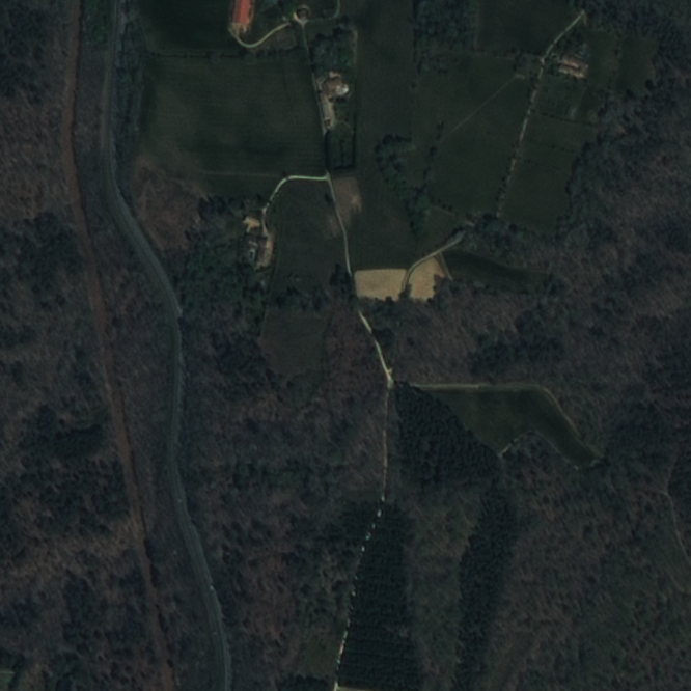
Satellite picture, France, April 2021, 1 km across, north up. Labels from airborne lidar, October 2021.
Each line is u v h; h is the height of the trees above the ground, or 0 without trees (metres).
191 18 0
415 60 7
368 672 10
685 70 17
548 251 20
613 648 21
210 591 0
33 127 11
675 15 26
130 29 8
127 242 21
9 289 27
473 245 19
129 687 13
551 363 11
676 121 24
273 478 10
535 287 0
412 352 15
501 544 20
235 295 15
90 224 19
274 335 0
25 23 22
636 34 26
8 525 25
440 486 21
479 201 0
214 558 22
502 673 13
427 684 16
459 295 19
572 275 15
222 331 16
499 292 10
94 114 14
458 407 0
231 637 16
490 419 0
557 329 18
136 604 17
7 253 17
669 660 14
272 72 0
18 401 11
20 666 20
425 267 0
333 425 12
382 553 8
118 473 21
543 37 0
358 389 7
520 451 11
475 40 10
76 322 14
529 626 13
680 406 8
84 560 17
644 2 27
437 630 18
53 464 14
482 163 0
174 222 0
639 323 10
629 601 22
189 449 16
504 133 0
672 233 21
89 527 25
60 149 17
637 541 18
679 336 9
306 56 11
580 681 23
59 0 11
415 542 19
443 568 17
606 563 14
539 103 0
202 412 14
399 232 0
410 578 11
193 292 17
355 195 0
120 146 16
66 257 29
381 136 0
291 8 23
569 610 13
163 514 19
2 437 23
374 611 15
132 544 18
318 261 0
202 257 20
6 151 11
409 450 21
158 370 19
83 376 17
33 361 13
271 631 7
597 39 0
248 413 14
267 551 9
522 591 18
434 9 21
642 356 8
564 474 21
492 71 0
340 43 18
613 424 20
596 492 17
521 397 0
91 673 9
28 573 12
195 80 6
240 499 10
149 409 22
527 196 0
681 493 13
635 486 23
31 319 17
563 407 16
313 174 0
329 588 10
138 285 26
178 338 0
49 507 14
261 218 16
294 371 0
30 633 31
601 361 17
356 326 6
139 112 19
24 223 10
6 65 26
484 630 17
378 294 0
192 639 20
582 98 0
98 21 17
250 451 20
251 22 0
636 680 21
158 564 22
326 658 0
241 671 20
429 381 15
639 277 21
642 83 0
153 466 24
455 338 21
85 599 28
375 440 19
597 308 12
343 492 8
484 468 24
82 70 18
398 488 16
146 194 0
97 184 23
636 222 14
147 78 9
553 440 0
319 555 16
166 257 10
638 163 25
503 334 13
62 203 18
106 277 9
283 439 17
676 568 21
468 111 0
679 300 21
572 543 19
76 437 15
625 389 17
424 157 0
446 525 15
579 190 21
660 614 14
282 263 0
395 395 14
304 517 11
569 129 0
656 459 14
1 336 18
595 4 20
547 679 12
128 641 29
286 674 16
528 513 14
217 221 22
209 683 23
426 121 0
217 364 12
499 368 25
